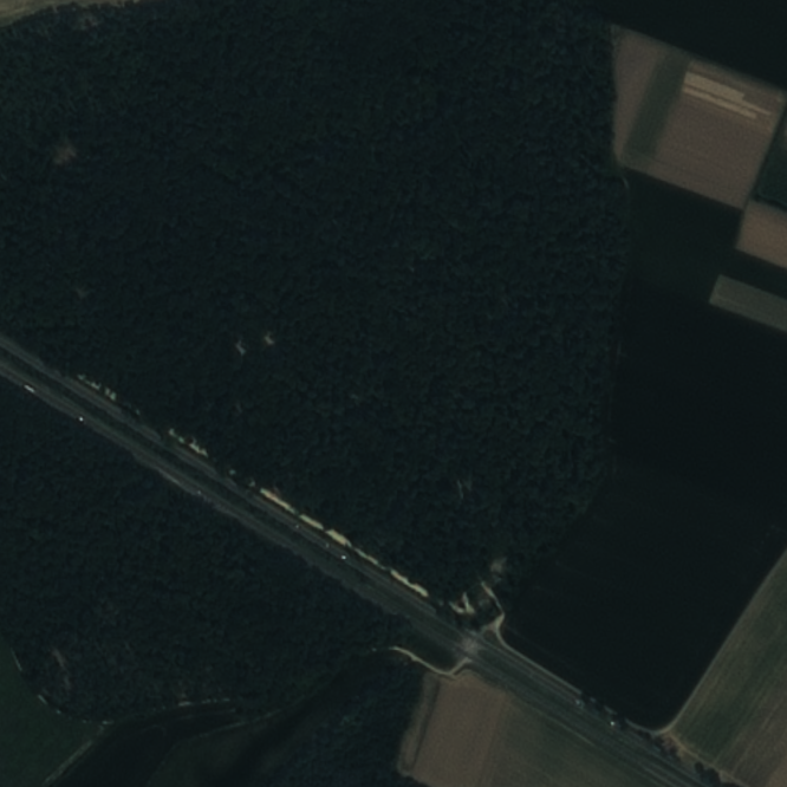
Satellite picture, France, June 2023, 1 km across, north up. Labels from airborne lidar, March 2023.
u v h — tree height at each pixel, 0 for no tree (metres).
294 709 0
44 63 17
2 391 20
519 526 28
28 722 0
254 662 18
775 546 0
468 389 9
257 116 28
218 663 22
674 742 0
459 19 6
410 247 24
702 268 0
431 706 0
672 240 0
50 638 20
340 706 0
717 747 0
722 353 0
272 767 0
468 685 0
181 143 26
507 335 26
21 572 19
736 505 0
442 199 30
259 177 27
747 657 0
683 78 0
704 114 0
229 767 0
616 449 0
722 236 0
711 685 0
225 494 11
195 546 26
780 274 0
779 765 0
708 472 0
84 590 21
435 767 0
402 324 26
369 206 21
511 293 9
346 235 26
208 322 24
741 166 0
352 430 24
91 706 15
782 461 0
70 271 12
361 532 24
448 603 27
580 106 22
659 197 0
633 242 0
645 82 0
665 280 0
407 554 23
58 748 0
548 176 22
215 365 26
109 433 0
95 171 24
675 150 0
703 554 0
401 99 27
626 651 0
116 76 18
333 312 24
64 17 19
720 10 0
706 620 0
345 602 23
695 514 0
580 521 0
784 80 0
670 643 0
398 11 29
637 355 0
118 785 0
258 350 25
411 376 23
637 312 0
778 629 0
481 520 23
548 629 0
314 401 22
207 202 28
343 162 24
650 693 0
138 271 25
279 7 20
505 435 25
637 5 0
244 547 25
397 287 26
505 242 27
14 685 0
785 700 0
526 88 26
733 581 0
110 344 21
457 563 25
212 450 25
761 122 0
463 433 23
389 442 26
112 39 17
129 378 21
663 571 0
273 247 25
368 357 25
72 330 14
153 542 26
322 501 24
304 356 25
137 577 24
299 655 20
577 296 30
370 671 0
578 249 27
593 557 0
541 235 25
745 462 0
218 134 26
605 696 0
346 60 25
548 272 22
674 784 0
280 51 24
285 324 21
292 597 25
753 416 0
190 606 22
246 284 25
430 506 26
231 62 24
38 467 24
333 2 24
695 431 0
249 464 25
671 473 0
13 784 0
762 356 0
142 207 29
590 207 29
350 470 26
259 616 27
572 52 29
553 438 24
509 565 25
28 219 19
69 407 0
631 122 0
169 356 24
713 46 0
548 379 25
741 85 0
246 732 0
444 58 22
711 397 0
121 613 25
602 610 0
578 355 26
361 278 25
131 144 20
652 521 0
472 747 0
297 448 25
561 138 20
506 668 0
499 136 24
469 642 0
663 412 0
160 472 0
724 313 0
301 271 26
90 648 22
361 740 11
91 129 21
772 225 0
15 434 24
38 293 17
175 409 24
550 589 0
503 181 27
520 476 23
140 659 23
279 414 23
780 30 0
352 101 27
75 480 21
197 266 26
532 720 0
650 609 0
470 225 26
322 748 16
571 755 0
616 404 0
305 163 26
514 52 24
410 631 16
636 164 0
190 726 0
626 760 0
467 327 26
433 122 23
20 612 20
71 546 18
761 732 0
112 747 0
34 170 10
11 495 24
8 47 16
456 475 19
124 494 25
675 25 0
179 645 21
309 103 26
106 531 23
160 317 22
